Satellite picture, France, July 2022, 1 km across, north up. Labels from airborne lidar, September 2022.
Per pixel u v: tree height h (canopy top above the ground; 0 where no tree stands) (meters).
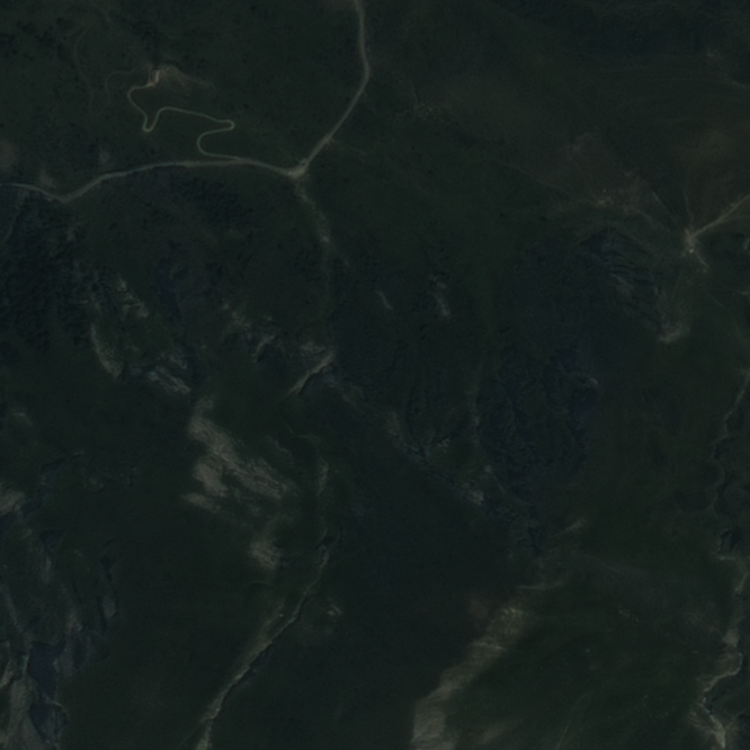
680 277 0
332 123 0
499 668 0
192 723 0
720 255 0
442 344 0
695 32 0
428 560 0
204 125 0
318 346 0
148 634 0
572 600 0
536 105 0
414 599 0
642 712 0
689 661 0
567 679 0
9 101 0
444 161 0
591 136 0
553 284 0
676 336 0
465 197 0
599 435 0
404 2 0
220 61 0
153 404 0
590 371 0
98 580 0
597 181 0
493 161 0
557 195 0
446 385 0
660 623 0
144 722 0
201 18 0
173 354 0
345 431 0
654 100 0
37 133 0
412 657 0
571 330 0
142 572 0
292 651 0
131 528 0
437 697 0
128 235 0
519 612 0
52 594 0
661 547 0
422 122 0
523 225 0
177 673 0
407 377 0
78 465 0
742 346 0
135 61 0
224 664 0
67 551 0
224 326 0
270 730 0
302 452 0
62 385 0
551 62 0
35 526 0
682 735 0
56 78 0
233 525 0
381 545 0
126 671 0
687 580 0
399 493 0
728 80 0
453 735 0
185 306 0
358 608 0
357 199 0
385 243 0
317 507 0
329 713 0
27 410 0
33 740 0
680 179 0
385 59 0
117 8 0
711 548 0
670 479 0
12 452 0
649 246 0
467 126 0
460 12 0
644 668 0
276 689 0
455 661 0
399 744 0
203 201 8
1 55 0
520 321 0
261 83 0
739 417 0
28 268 19
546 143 0
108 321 0
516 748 0
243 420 0
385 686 0
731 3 0
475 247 0
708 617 0
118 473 0
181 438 0
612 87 0
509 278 0
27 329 16
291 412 0
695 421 0
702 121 0
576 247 0
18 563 0
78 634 0
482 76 0
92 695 0
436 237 0
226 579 0
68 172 0
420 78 0
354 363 0
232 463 0
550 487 0
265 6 0
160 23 0
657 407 0
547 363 0
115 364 0
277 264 0
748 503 0
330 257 0
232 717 0
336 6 0
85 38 0
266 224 0
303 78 0
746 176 0
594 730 0
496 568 0
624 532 0
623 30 0
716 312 0
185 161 0
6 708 0
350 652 0
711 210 0
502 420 6
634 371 0
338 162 0
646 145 0
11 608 0
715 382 0
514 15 0
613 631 0
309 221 0
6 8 0
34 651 0
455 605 0
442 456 0
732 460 0
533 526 0
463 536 0
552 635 0
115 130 0
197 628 0
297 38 0
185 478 0
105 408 0
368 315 0
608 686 0
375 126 0
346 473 0
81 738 0
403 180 0
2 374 0
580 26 0
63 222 11
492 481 0
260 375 0
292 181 0
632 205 0
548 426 0
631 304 0
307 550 0
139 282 0
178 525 0
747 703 0
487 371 0
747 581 0
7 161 0
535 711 0
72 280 7
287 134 0
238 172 0
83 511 0
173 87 0
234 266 0
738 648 0
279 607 0
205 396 0
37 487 0
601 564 0
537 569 0
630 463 0
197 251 0
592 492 0
